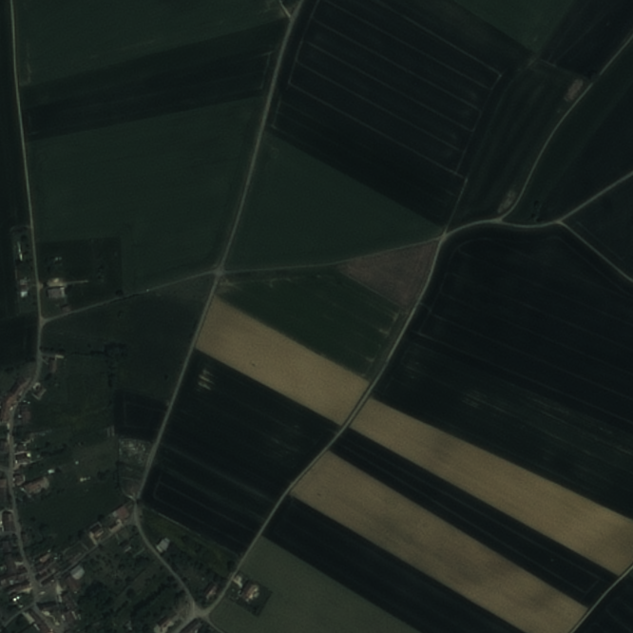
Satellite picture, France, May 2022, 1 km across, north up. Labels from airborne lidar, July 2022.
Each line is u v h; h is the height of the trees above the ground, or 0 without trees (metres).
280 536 0
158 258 0
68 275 0
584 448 0
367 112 0
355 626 0
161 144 0
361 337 0
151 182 0
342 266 0
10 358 0
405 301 0
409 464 0
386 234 0
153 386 0
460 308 0
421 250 0
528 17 0
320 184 0
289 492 0
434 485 0
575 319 0
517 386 0
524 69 0
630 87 0
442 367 0
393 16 0
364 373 0
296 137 0
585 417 0
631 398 0
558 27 0
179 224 0
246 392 0
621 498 0
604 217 0
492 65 0
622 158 0
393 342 0
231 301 0
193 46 0
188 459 0
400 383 0
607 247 0
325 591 0
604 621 0
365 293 0
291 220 0
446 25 0
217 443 0
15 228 0
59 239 0
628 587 0
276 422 0
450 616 0
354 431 0
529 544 0
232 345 0
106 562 6
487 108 0
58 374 0
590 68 0
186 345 0
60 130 0
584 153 0
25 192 0
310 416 0
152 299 0
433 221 0
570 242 0
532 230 0
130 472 0
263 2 0
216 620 0
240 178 0
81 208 0
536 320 0
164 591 12
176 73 0
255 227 0
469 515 0
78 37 0
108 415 0
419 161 0
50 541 12
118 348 14
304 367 0
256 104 0
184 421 0
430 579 0
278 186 0
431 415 0
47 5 0
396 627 0
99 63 0
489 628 0
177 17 0
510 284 0
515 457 0
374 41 0
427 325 0
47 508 0
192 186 0
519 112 0
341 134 0
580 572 0
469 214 0
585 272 0
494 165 0
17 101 0
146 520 0
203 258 0
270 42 0
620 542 0
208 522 0
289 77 0
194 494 0
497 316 0
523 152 0
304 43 0
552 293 0
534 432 0
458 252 0
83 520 0
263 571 0
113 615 12
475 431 0
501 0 0
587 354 0
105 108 0
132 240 0
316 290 0
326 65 0
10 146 0
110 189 0
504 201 0
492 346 0
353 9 0
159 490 0
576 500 0
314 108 0
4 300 0
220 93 0
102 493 0
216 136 0
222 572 0
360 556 0
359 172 0
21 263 13
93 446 0
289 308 0
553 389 0
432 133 0
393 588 0
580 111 0
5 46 0
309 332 0
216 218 0
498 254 0
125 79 0
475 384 0
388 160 0
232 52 0
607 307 0
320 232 0
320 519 0
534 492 0
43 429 0
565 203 0
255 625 0
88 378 0
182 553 8
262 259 0
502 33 0
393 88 0
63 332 0
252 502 0
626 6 0
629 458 0
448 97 0
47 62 0
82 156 0
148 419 0
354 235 0
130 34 0
